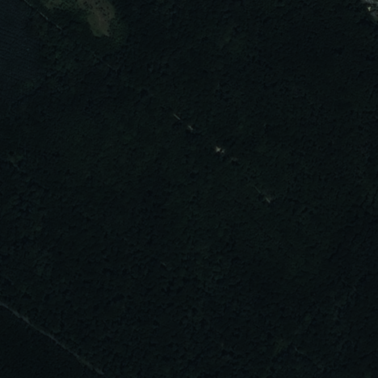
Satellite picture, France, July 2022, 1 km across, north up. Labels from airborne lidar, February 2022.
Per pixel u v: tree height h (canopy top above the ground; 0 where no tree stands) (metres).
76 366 16
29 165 18
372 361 21
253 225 20
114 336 20
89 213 24
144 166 22
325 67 23
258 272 23
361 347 26
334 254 24
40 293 25
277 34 25
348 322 23
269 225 21
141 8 25
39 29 20
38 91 24
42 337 19
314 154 21
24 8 13
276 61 22
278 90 22
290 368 25
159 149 22
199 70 21
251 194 25
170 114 25
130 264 25
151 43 25
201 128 22
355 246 21
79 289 26
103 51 9
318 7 25
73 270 22
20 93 17
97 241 24
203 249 27
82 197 23
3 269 33
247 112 21
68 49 25
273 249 24
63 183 15
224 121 19
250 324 20
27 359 16
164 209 24
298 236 21
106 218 25
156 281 21
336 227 21
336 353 26
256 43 22
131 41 22
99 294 29
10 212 29
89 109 24
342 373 27
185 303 23
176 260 23
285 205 22
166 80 19
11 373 16
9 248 25
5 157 12
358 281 22
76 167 23
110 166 20
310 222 21
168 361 25
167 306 28
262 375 23
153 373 25
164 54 29
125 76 23
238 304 25
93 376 19
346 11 25
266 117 23
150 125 23
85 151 22
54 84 23
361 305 28
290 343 9
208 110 20
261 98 24
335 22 26
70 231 23
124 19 22
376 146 24
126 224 26
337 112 26
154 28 25
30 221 29
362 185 24
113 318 21
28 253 30
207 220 23
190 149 21
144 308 16
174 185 22
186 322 27
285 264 26
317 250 25
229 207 20
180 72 22
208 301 29
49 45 18
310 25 25
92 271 27
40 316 25
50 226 22
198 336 25
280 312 25
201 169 21
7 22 16
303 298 24
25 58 16
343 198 21
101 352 26
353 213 24
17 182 27
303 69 24
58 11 6
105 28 0
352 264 21
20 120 22
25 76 14
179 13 25
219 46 20
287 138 19
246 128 19
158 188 23
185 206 21
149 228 24
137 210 24
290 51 22
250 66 25
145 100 23
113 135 22
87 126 24
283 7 28
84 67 24
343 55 23
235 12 25
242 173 24
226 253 27
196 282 27
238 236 24
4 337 16
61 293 26
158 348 30
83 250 24
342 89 24
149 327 23
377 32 22
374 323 28
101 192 22
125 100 25
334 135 24
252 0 25
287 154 21
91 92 26
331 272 24
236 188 25
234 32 19
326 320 21
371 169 22
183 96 26
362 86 24
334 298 27
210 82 25
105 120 24
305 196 20
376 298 24
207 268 25
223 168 19
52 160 23
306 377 26
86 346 25
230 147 22
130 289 25
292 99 23
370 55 13
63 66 22
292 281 21
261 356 23
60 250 11
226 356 27
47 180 19
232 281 22
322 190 23
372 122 21
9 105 14
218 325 27
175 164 22
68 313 26
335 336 21
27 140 18
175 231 19
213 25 21
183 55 25
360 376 27
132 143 23
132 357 25
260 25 21
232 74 22
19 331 18
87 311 30
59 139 22
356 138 22
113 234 22
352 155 22
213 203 19
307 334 25
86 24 9
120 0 17
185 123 22
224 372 27
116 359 26
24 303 25
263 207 23
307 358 21
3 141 18
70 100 26
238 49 26
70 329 19
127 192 25
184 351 24
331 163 22
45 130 22
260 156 22
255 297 17
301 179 21
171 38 23
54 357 18
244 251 22
